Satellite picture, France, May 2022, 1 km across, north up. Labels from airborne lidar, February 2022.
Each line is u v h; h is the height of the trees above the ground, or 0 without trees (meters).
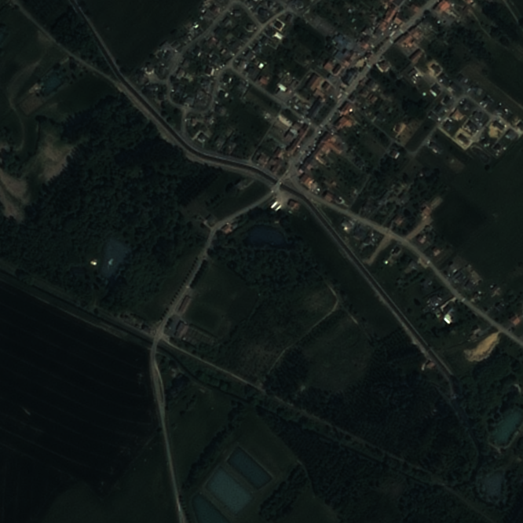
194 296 0
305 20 0
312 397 0
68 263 16
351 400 0
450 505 10
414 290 0
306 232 0
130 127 24
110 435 0
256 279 25
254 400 20
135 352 0
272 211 10
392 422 29
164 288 0
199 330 7
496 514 0
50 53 0
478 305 0
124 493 0
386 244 0
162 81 0
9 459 0
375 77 11
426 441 21
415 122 0
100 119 24
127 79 0
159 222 33
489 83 0
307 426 19
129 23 0
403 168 0
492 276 0
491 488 0
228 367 0
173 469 0
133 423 0
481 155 0
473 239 0
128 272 12
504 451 13
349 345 0
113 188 20
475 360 0
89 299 9
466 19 0
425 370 0
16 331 0
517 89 0
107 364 0
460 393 22
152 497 0
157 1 0
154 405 0
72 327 0
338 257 0
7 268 0
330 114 0
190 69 0
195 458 0
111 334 0
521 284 0
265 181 0
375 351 0
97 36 0
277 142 0
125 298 10
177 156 22
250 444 0
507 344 0
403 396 17
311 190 0
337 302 0
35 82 0
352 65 0
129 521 0
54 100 0
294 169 0
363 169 7
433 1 0
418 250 0
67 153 0
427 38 0
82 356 0
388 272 0
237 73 0
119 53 0
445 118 0
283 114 0
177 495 0
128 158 34
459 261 0
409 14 0
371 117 0
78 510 0
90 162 22
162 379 0
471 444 14
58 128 18
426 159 0
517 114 0
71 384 0
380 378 0
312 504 0
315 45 12
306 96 0
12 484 0
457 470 7
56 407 0
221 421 0
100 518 0
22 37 0
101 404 0
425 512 18
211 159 0
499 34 20
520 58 0
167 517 0
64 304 0
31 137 0
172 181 16
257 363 0
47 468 0
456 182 0
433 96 0
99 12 0
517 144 0
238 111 0
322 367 0
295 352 0
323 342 0
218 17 0
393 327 0
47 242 20
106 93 0
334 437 24
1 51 13
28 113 0
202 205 0
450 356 0
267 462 0
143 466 0
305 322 0
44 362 0
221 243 11
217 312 0
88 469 0
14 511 0
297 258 23
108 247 0
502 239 0
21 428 0
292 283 24
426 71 0
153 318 0
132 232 10
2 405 0
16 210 0
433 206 0
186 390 15
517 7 0
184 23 0
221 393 0
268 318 0
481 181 0
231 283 0
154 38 0
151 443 0
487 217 0
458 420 19
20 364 0
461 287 0
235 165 0
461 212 0
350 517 0
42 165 0
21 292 0
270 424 29
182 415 8
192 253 0
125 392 0
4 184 0
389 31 0
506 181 0
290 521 0
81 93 0
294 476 10
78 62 0
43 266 19
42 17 21
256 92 0
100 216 20
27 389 0
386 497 0
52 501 0
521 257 0
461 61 0
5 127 0
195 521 0
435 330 8
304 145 0
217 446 18
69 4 0
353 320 0
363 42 0
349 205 0
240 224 8
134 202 25
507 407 22
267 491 0
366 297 0
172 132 0
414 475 21
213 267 0
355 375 0
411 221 18
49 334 0
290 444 31
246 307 0
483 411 22
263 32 0
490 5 8
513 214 0
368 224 0
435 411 0
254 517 0
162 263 23
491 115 0
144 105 0
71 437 0
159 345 0
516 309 0
